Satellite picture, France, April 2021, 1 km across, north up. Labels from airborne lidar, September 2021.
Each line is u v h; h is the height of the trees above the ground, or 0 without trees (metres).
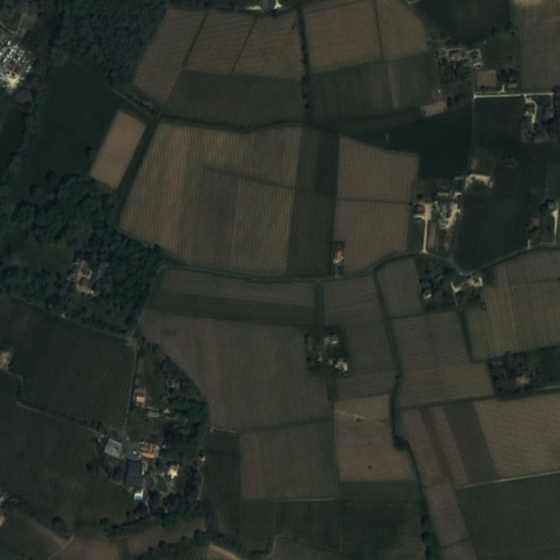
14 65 0
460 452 0
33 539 0
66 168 0
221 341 0
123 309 9
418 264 0
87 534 0
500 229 0
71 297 15
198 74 0
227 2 0
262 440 0
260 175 0
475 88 0
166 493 0
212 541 17
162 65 0
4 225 22
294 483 0
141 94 0
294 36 0
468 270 0
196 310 0
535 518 0
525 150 0
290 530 0
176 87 0
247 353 0
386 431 0
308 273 0
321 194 0
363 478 0
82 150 0
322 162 0
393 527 0
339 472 0
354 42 0
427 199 0
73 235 23
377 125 0
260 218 0
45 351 0
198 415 20
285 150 0
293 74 0
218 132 0
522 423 0
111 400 0
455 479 0
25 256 0
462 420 0
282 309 0
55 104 0
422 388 0
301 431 0
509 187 0
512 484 0
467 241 0
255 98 0
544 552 0
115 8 19
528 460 0
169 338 0
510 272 0
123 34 17
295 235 0
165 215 0
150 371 0
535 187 0
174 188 0
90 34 20
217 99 0
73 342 0
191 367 0
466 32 0
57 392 0
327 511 0
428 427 0
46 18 0
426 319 0
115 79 17
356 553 0
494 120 0
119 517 0
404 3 0
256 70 0
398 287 0
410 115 0
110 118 0
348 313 0
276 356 0
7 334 0
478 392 0
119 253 17
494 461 0
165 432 0
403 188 0
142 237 0
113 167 0
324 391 0
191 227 0
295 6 0
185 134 0
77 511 0
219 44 0
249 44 0
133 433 0
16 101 15
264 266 0
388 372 0
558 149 0
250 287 0
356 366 0
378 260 0
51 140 0
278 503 0
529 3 0
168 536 0
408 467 0
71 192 21
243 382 0
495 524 0
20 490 0
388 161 0
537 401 0
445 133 0
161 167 0
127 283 19
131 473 0
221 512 0
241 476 0
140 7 18
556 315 0
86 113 0
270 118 0
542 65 0
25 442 0
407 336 0
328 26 0
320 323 0
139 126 0
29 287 16
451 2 0
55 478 0
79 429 0
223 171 0
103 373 0
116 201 10
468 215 0
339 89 0
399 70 0
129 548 0
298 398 0
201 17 0
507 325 0
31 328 0
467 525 0
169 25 0
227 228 0
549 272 0
